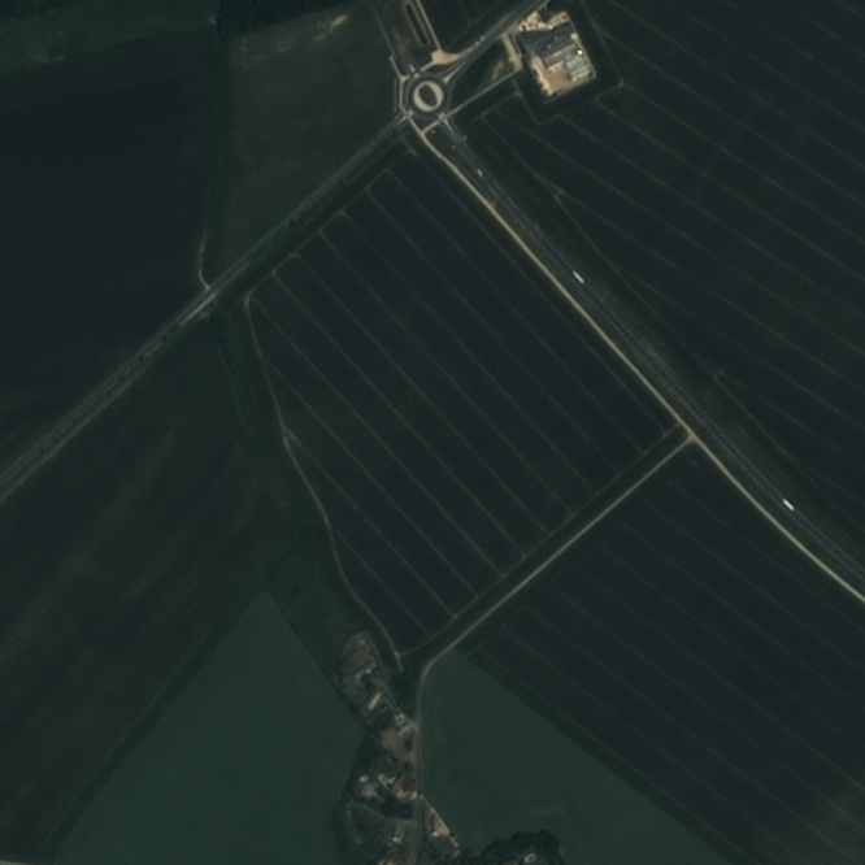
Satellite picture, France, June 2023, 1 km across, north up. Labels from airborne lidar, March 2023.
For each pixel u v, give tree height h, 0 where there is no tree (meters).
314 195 0
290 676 0
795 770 0
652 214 0
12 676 0
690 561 0
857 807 0
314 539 0
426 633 0
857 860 0
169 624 0
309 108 0
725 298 0
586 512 0
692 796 0
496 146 0
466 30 0
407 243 0
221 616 0
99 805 0
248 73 0
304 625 0
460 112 0
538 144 0
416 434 0
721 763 0
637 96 0
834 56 0
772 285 0
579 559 0
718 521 0
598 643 0
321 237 0
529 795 0
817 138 0
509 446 0
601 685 0
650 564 0
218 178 0
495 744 0
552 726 0
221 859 0
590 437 0
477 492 0
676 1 0
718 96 0
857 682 0
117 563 0
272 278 0
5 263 0
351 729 0
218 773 0
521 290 0
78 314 0
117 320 0
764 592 0
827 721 0
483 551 0
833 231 0
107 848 0
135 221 0
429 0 0
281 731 0
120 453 0
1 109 0
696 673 0
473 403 0
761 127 0
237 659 0
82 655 0
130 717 0
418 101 0
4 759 0
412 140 0
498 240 0
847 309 0
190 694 0
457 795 0
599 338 0
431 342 0
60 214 0
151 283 0
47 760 0
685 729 0
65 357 0
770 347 0
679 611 0
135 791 0
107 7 0
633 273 0
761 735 0
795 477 0
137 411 0
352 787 6
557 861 7
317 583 0
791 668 0
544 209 0
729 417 0
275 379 0
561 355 0
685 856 0
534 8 0
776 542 0
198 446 0
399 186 0
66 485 0
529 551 0
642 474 0
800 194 0
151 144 0
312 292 0
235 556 0
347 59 0
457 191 0
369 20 0
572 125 0
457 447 0
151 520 0
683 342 0
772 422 0
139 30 0
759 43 0
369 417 0
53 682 0
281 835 0
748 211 0
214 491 0
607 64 0
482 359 0
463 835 0
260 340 0
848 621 0
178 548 0
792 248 0
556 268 0
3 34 0
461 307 0
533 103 0
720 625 0
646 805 0
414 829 0
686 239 0
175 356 0
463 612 0
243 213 0
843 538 0
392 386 0
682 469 0
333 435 0
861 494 0
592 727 0
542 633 0
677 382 0
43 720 0
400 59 0
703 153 0
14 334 0
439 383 0
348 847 0
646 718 0
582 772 0
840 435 0
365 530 0
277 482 0
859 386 0
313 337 0
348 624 0
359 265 0
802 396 0
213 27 0
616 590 0
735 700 0
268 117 0
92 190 0
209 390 0
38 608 0
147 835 0
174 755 0
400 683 6
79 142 0
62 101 0
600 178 0
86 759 0
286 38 0
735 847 0
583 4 0
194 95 0
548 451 0
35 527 0
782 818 0
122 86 0
